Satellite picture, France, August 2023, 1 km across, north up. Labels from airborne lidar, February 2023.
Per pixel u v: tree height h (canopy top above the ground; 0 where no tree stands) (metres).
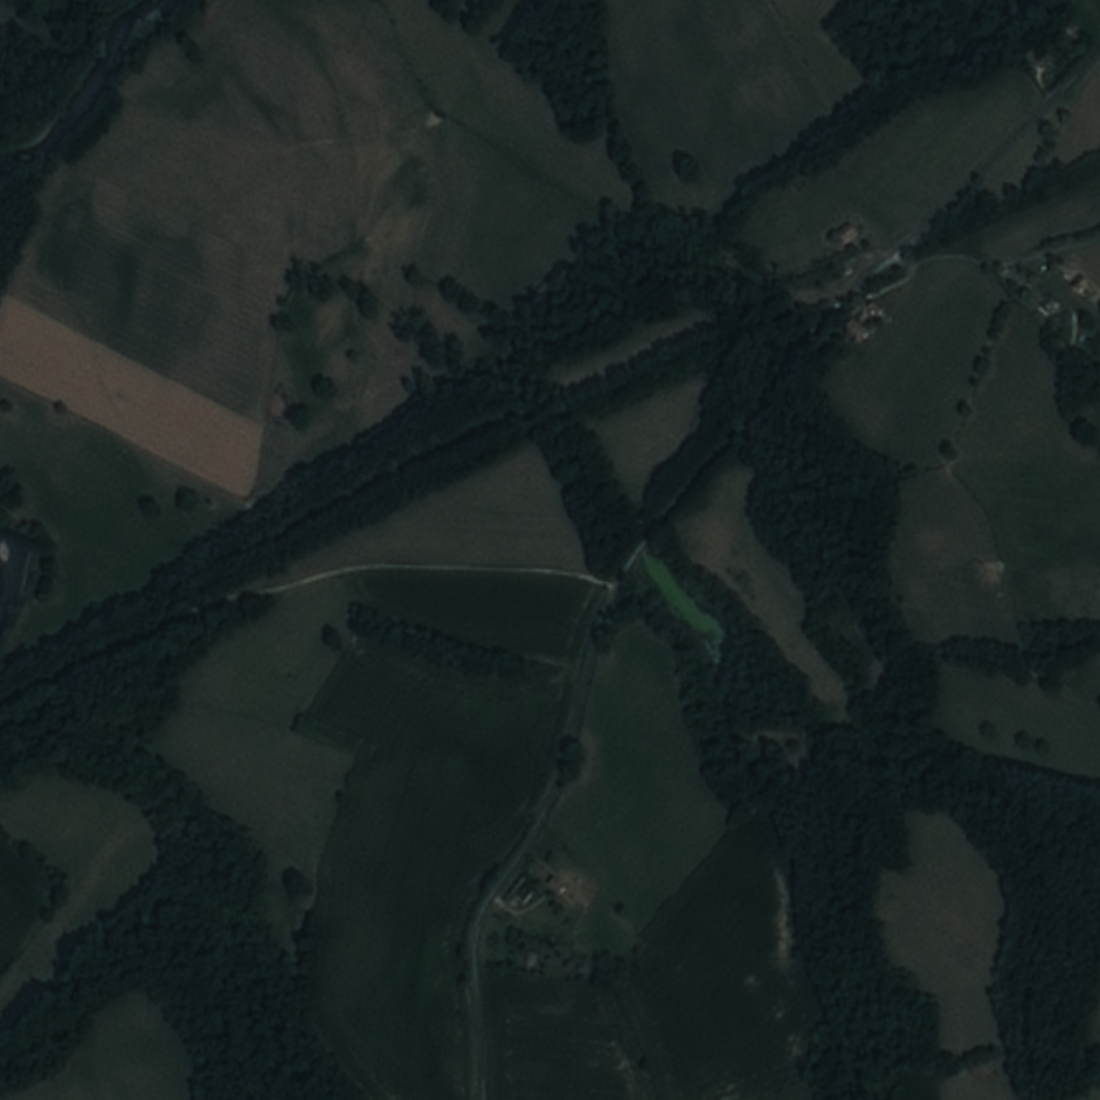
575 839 0
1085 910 25
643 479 0
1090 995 22
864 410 0
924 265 0
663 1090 0
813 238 0
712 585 17
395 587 0
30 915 0
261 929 21
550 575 0
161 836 9
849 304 15
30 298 0
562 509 0
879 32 17
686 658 23
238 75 0
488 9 25
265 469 0
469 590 0
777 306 18
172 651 24
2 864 0
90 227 0
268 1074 33
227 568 22
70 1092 0
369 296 23
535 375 12
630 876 0
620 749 0
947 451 10
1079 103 0
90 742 25
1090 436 18
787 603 0
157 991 18
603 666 0
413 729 0
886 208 0
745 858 0
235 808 0
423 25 0
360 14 0
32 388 0
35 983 0
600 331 22
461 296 15
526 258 0
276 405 0
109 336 0
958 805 14
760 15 0
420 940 0
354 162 0
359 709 0
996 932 0
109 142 0
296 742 0
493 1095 0
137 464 0
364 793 0
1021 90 0
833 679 0
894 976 13
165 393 0
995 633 0
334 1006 0
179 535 0
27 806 0
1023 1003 18
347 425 0
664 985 0
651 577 0
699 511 0
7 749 24
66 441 0
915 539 0
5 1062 27
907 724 6
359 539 0
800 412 29
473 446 19
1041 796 26
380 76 0
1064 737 0
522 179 0
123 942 27
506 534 0
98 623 24
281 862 0
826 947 16
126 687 27
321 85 0
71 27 26
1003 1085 0
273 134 0
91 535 0
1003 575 0
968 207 9
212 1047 26
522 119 0
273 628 0
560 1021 0
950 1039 0
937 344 0
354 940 0
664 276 29
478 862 0
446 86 0
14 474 15
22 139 0
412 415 20
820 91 0
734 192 0
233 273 0
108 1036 0
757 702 26
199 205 0
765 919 0
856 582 29
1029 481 0
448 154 0
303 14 0
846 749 21
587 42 29
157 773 23
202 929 24
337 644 17
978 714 0
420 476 18
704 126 0
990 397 0
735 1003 0
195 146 0
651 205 18
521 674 16
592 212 0
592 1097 0
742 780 14
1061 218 0
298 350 0
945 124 0
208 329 0
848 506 11
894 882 0
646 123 0
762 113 0
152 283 0
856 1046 10
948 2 7
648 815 0
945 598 0
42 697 22
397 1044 0
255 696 0
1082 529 0
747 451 17
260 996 26
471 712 0
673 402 0
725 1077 0
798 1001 0
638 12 0
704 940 0
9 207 22
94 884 0
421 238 0
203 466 0
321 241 0
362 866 0
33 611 0
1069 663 18
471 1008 0
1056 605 0
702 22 0
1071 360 20
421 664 0
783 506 23
